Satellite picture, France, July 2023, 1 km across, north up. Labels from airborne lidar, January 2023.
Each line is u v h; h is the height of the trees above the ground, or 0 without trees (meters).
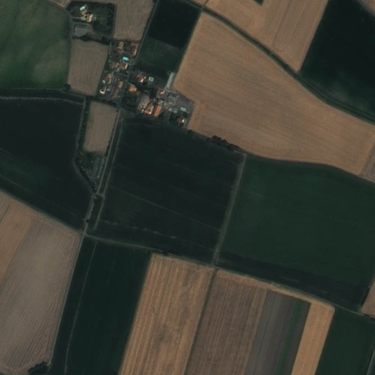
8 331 0
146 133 0
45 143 0
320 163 0
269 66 0
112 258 0
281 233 0
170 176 0
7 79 0
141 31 0
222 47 0
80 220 0
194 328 0
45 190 0
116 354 0
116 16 0
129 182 0
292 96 0
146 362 0
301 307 0
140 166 0
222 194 0
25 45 0
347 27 0
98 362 0
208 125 0
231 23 0
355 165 0
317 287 0
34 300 0
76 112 0
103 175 0
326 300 0
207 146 0
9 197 0
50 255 0
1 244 0
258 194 0
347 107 0
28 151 0
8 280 0
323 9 0
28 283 0
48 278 0
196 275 0
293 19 0
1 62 0
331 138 0
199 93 0
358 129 0
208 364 0
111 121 0
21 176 0
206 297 0
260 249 0
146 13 0
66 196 0
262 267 0
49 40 0
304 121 0
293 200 0
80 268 0
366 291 0
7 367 0
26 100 0
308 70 0
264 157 0
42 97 0
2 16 0
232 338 0
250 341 0
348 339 0
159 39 0
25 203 0
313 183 0
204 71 0
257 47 0
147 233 0
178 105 0
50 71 0
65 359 0
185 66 0
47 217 0
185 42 0
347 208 0
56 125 0
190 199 0
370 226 0
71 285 0
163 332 0
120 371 0
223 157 0
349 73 0
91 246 0
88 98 8
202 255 0
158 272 0
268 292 0
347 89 0
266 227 0
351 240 0
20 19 0
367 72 0
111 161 0
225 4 0
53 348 0
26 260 0
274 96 0
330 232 0
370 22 0
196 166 0
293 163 0
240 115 0
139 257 0
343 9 0
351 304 0
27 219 0
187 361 0
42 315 0
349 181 0
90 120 0
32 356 0
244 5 0
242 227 0
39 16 0
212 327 0
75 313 0
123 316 0
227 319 0
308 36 0
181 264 0
